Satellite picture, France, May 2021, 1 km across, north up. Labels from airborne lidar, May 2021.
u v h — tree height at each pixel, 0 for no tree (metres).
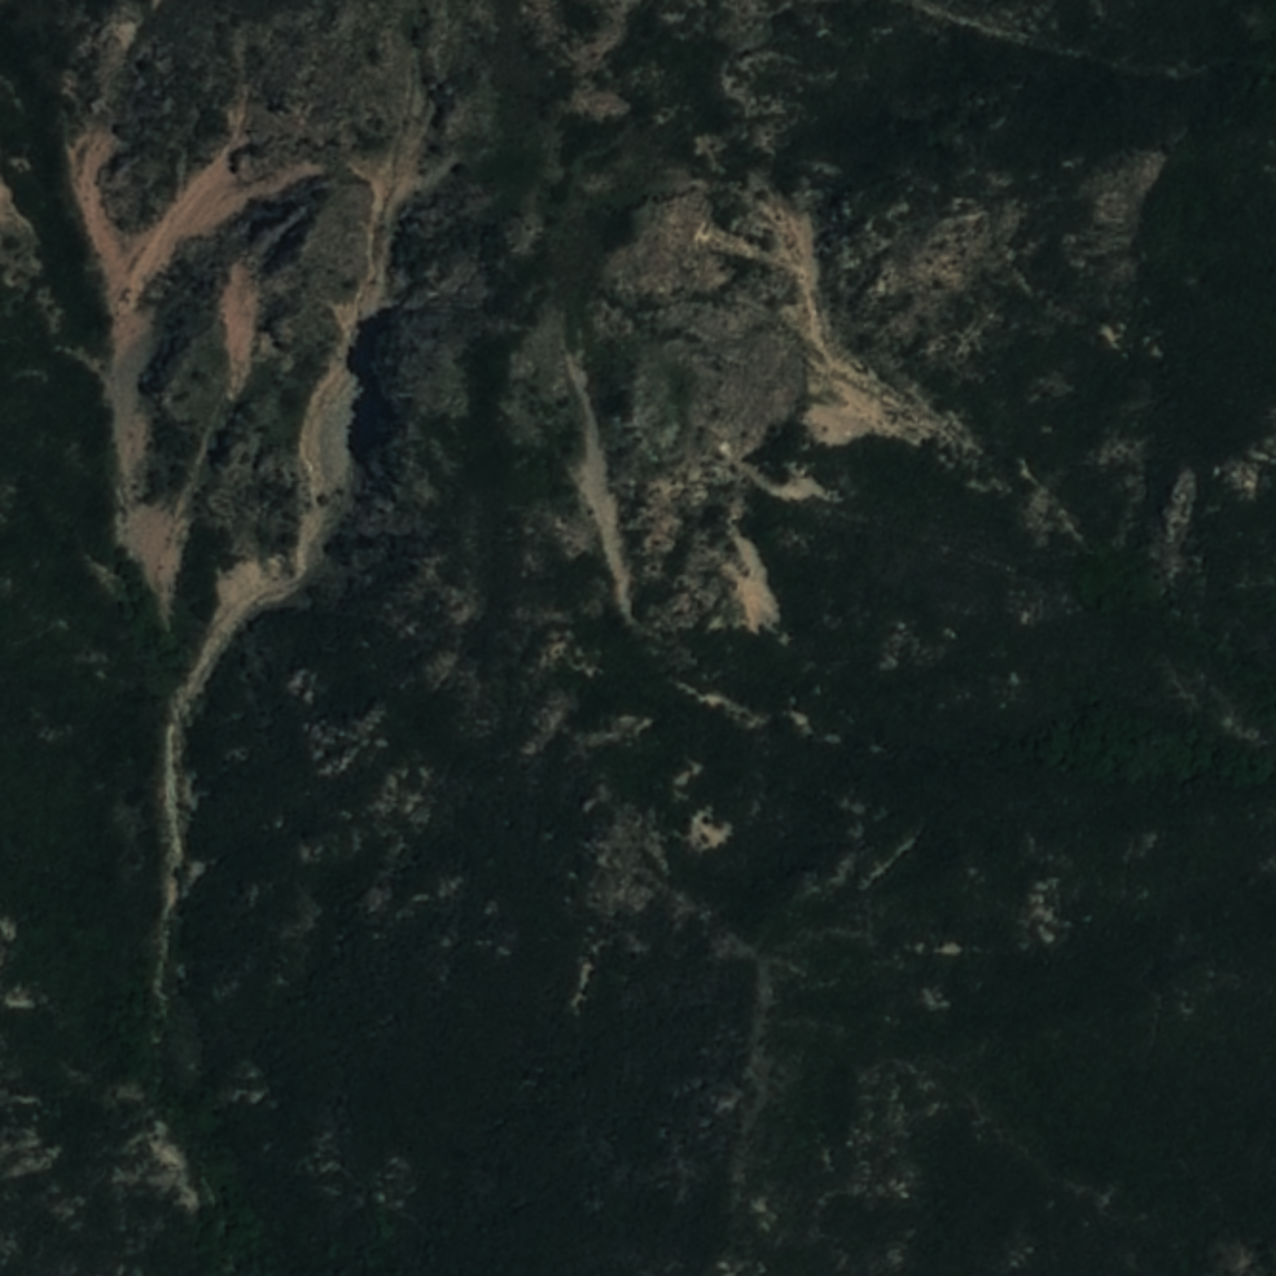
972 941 7
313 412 0
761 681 6
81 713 8
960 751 8
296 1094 6
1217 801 6
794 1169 6
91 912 8
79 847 6
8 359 5
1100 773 16
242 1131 6
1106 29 6
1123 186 0
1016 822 6
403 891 6
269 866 6
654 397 0
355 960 7
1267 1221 5
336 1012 7
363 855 6
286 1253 7
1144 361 5
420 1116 7
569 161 7
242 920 6
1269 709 7
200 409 0
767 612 0
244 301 0
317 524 0
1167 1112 6
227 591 0
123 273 0
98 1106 7
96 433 11
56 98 7
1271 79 10
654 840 9
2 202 0
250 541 0
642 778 8
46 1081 7
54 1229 8
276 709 7
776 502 5
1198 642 8
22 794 5
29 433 7
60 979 6
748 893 6
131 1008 8
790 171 7
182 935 6
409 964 6
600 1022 6
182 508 0
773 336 0
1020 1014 5
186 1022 0
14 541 8
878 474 6
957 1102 5
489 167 0
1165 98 8
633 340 0
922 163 10
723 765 6
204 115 6
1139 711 8
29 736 6
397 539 13
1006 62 8
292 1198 6
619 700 7
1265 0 7
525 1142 8
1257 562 6
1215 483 5
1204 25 6
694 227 0
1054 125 7
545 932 5
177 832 0
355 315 0
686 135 7
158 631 9
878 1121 6
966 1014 6
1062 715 7
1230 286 6
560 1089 7
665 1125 6
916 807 6
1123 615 7
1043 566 7
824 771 6
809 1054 6
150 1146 7
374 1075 6
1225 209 7
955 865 6
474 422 5
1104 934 6
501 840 5
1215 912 6
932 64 8
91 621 7
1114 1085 5
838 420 0
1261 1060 6
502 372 5
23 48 7
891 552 6
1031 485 6
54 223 8
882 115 9
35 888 8
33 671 7
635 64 6
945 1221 6
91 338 10
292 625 5
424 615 6
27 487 9
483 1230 8
